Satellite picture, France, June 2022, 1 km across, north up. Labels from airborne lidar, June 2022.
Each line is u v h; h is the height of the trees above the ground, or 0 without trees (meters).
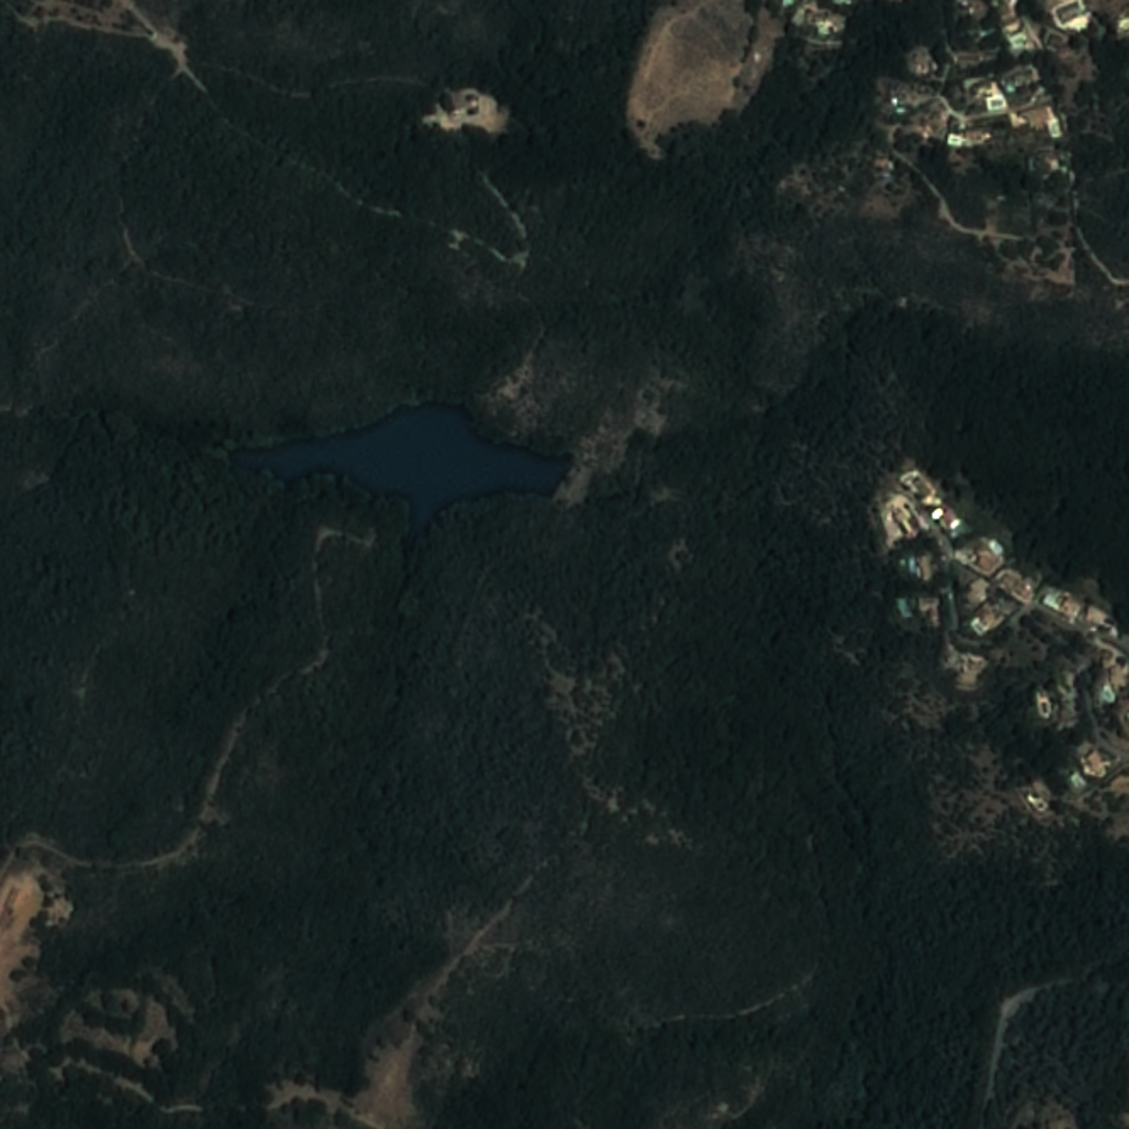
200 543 18
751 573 19
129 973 9
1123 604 15
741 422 13
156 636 11
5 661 7
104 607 6
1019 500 16
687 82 0
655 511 11
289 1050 9
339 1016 15
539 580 12
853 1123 16
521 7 14
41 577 10
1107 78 12
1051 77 9
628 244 9
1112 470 19
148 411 9
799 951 7
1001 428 18
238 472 19
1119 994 11
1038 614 7
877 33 19
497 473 0
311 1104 8
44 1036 9
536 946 8
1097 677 10
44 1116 12
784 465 12
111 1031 8
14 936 0
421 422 0
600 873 5
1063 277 0
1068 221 8
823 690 14
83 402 11
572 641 6
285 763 10
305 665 9
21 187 11
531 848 6
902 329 17
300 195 11
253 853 11
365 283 11
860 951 15
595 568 11
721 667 18
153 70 6
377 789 11
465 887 8
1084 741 13
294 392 12
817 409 24
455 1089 7
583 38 12
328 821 10
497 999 8
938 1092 14
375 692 16
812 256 9
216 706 13
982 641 6
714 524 17
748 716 21
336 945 18
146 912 7
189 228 8
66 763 6
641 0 12
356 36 6
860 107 18
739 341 15
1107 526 19
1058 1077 20
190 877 8
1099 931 12
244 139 10
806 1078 6
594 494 9
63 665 5
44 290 6
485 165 18
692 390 6
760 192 14
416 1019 8
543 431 6
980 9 0
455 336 11
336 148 14
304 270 11
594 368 6
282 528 17
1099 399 29
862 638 10
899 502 0
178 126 14
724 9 0
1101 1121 19
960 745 8
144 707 9
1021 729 9
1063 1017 10
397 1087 0
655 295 13
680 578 14
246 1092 15
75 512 6
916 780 10
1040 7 13
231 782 7
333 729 11
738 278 7
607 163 15
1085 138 12
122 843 8
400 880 8
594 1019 9
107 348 9
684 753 17
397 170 22
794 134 16
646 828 9
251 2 7
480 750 9
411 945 11
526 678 8
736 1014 8
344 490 15
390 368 10
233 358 6
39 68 9
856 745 9
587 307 10
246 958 13
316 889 17
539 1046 12
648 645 9
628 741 13
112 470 11
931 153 10
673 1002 8
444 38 6
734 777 19
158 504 20
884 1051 17
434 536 13
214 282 9
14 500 6
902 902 17
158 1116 11
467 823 8
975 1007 17
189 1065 13
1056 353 7
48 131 14
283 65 6
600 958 9
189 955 9
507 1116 17
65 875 6
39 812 7
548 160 20
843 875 22
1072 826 6
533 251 7
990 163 14
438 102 9
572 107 22
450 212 10
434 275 7
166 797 6
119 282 6
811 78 12
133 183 8
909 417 8
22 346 10
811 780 19
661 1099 6
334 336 8
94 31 7
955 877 13
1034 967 16
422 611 13
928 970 13
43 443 6
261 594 15
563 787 7
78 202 10
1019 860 9
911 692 9
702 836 12
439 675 7
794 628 11
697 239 13
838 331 10
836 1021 12
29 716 10
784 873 12
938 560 10
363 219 10
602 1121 8
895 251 6
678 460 12
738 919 9
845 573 12
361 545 6
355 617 13
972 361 20
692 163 15
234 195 12
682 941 10
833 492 7
